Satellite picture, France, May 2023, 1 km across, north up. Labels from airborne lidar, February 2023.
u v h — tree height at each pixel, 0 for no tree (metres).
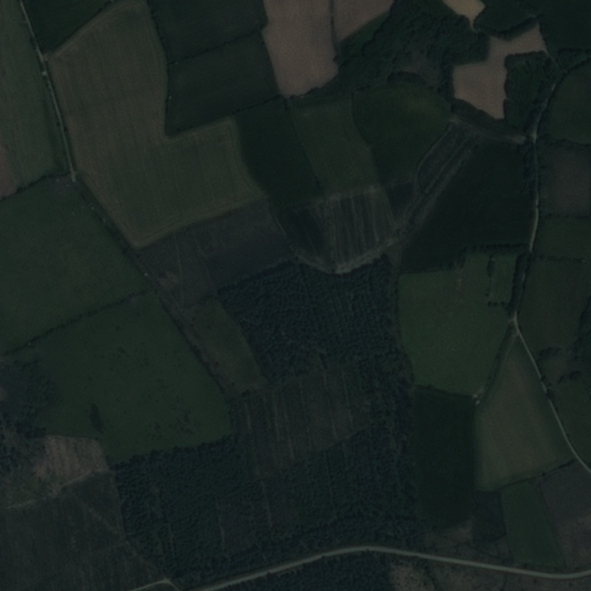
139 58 0
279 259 0
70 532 0
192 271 0
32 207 0
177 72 0
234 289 20
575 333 0
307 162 0
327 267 0
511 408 0
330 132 0
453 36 9
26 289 0
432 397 0
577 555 0
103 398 0
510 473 0
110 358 0
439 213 0
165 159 0
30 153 0
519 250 13
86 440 0
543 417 0
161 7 0
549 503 0
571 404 0
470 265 0
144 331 0
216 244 0
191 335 0
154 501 20
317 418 0
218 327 0
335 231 0
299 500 9
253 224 0
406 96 0
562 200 0
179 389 0
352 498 11
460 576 0
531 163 21
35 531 0
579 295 0
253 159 0
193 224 0
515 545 0
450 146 0
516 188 0
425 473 0
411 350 0
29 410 7
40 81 0
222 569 22
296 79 0
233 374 0
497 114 0
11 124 0
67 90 0
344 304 10
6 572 0
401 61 8
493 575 0
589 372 0
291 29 0
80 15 0
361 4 0
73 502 0
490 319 0
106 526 0
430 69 0
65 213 0
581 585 0
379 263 15
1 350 0
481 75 0
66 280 0
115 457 0
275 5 0
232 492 16
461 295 0
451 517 0
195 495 21
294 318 24
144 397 0
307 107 0
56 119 0
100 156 0
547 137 13
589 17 0
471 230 0
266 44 6
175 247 0
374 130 0
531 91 0
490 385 0
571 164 0
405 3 22
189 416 0
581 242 0
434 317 0
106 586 0
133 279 0
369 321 15
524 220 0
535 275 0
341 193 0
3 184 0
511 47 0
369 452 8
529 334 0
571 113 0
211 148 0
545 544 0
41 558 0
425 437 0
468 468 0
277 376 22
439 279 0
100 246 0
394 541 24
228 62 0
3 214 0
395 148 0
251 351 0
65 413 0
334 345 12
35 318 0
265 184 0
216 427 0
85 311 0
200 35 0
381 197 0
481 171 0
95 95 0
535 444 0
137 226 0
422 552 8
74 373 0
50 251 0
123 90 0
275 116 0
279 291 27
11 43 0
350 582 22
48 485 0
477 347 0
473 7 0
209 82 0
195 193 0
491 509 0
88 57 0
